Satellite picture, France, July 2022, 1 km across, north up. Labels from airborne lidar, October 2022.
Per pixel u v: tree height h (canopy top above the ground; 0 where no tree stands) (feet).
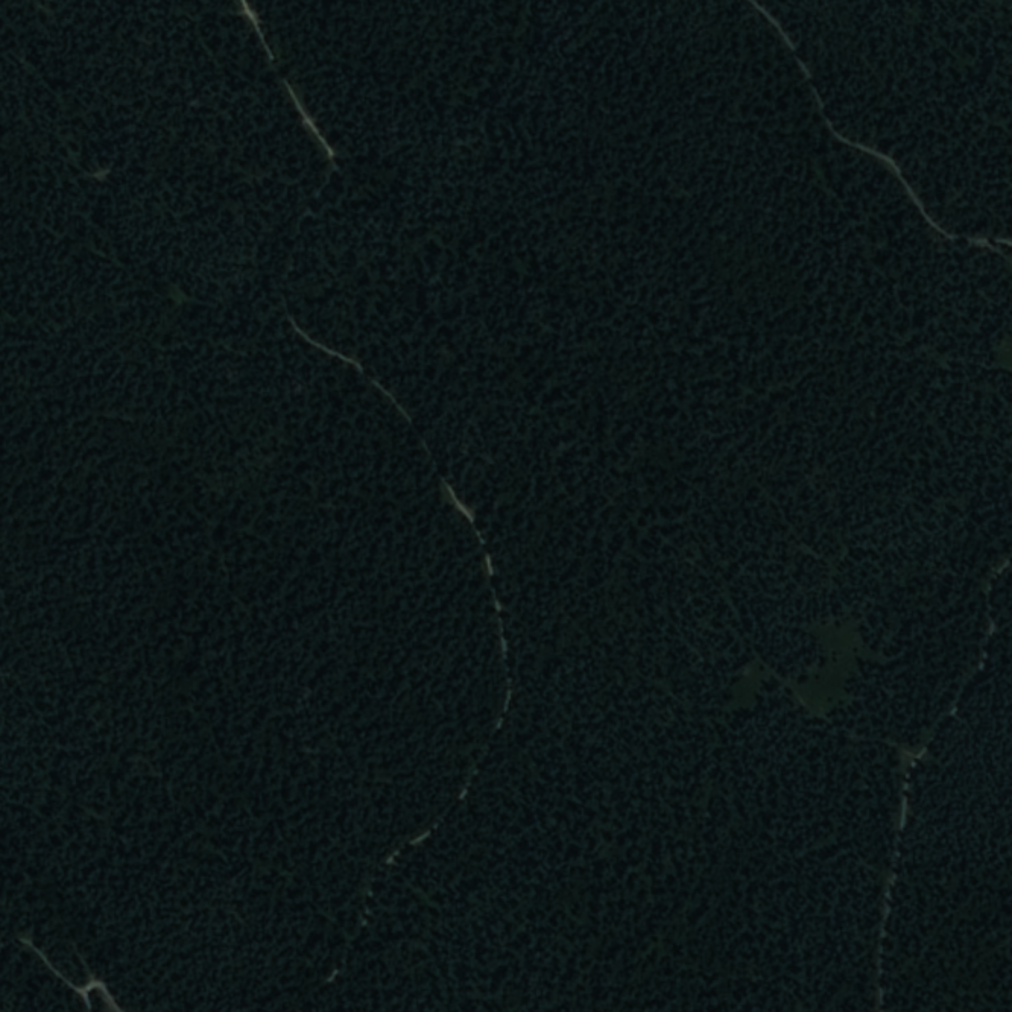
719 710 43
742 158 43
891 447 92
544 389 117
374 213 91
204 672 102
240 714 81
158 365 70
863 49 35
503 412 60
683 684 55
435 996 27
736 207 46
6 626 50
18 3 34
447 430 34
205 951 66
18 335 39
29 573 59
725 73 39
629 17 84
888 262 90
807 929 78
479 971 27
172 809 78
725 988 29
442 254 110
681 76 66
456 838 84
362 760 49
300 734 92
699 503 54
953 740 60
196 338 79
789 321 41
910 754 0
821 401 54
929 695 56
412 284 39
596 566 36
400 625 48
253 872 108
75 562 70
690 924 22
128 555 47
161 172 28
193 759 37
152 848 54
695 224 41
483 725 59
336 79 93
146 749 76
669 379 62
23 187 60
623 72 74
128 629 25
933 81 46
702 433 49
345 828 75
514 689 30
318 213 84
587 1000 54
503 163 77
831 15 24
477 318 104
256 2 40
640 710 24
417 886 52
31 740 33
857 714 80
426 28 31
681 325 81
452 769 66
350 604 88
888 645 68
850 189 55
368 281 92
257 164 40
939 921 62
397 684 61
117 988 28
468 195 70
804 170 113
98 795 20
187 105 39
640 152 59
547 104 70
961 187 79
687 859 57
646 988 36
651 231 72
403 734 43
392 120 75
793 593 70
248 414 43
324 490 35
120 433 34
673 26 21
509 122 21
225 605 31
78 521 53
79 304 49
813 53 53
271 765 74
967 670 58
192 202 49
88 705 54
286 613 30
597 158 90
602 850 56
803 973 99
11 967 97
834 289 63
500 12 64
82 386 84
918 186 66
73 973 76
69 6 32
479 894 85
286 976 31
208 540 61
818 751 37
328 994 40
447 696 68
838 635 0
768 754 68
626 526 98
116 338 41
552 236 64
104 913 80
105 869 82
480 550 33
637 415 28
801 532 49
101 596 83
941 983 24
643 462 20
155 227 78
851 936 76
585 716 39
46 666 66
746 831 28
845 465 84
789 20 60
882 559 94
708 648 88
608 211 43
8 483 53
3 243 57
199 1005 45
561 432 85
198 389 55
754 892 63
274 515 75
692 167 38
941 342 70
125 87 59
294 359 98
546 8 94
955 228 36
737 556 73
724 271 43
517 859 20
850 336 71
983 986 18
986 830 32
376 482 48
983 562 20
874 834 26
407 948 81
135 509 53
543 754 59
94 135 100
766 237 59
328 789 67
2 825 69
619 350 40
